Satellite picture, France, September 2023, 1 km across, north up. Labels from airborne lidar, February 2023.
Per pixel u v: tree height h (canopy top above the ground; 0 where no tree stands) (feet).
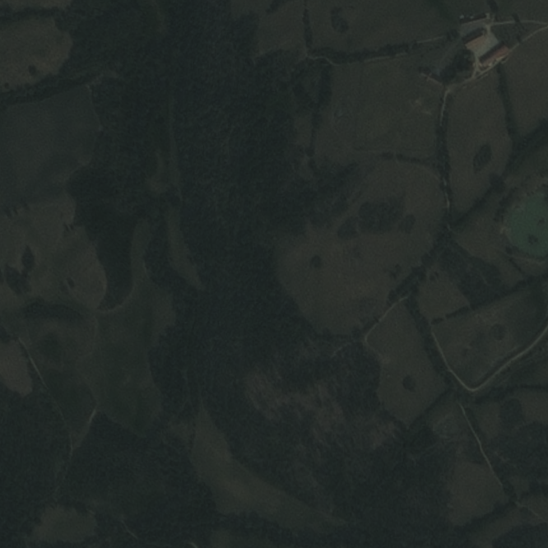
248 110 66
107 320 0
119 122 60
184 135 53
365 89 0
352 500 61
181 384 73
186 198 45
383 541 18
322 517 0
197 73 54
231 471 0
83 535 0
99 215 17
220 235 67
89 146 0
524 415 0
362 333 39
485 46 0
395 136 0
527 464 25
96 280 0
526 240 0
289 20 0
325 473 65
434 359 43
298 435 41
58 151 0
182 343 18
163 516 56
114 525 96
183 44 54
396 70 0
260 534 61
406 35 0
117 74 70
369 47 0
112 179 37
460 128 0
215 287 51
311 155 27
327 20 0
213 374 66
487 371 0
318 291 0
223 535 0
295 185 23
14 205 0
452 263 31
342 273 0
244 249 58
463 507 0
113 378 0
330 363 30
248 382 89
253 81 40
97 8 74
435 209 0
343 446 76
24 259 40
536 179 0
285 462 37
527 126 0
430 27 0
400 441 26
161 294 0
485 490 0
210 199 53
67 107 0
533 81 0
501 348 0
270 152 51
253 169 49
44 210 0
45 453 41
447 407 0
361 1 0
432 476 33
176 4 66
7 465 67
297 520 0
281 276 0
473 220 0
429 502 37
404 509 47
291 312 56
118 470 18
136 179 104
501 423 0
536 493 52
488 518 26
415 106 0
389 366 0
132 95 31
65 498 24
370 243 0
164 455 66
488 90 0
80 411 0
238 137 31
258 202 47
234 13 0
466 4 0
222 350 52
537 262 0
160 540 37
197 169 63
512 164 24
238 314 57
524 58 0
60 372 0
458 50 0
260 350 69
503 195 0
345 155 0
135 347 0
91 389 0
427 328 58
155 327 0
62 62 0
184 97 60
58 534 0
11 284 60
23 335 0
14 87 0
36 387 32
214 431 0
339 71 0
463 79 0
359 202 0
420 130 0
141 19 61
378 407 53
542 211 0
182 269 0
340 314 0
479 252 0
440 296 0
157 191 0
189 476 66
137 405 0
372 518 69
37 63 0
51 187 0
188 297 24
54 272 0
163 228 25
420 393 0
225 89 71
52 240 0
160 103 52
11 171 0
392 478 68
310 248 0
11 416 39
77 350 0
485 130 0
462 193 0
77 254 0
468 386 0
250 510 0
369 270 0
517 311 0
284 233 0
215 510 52
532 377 0
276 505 0
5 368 0
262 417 53
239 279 74
